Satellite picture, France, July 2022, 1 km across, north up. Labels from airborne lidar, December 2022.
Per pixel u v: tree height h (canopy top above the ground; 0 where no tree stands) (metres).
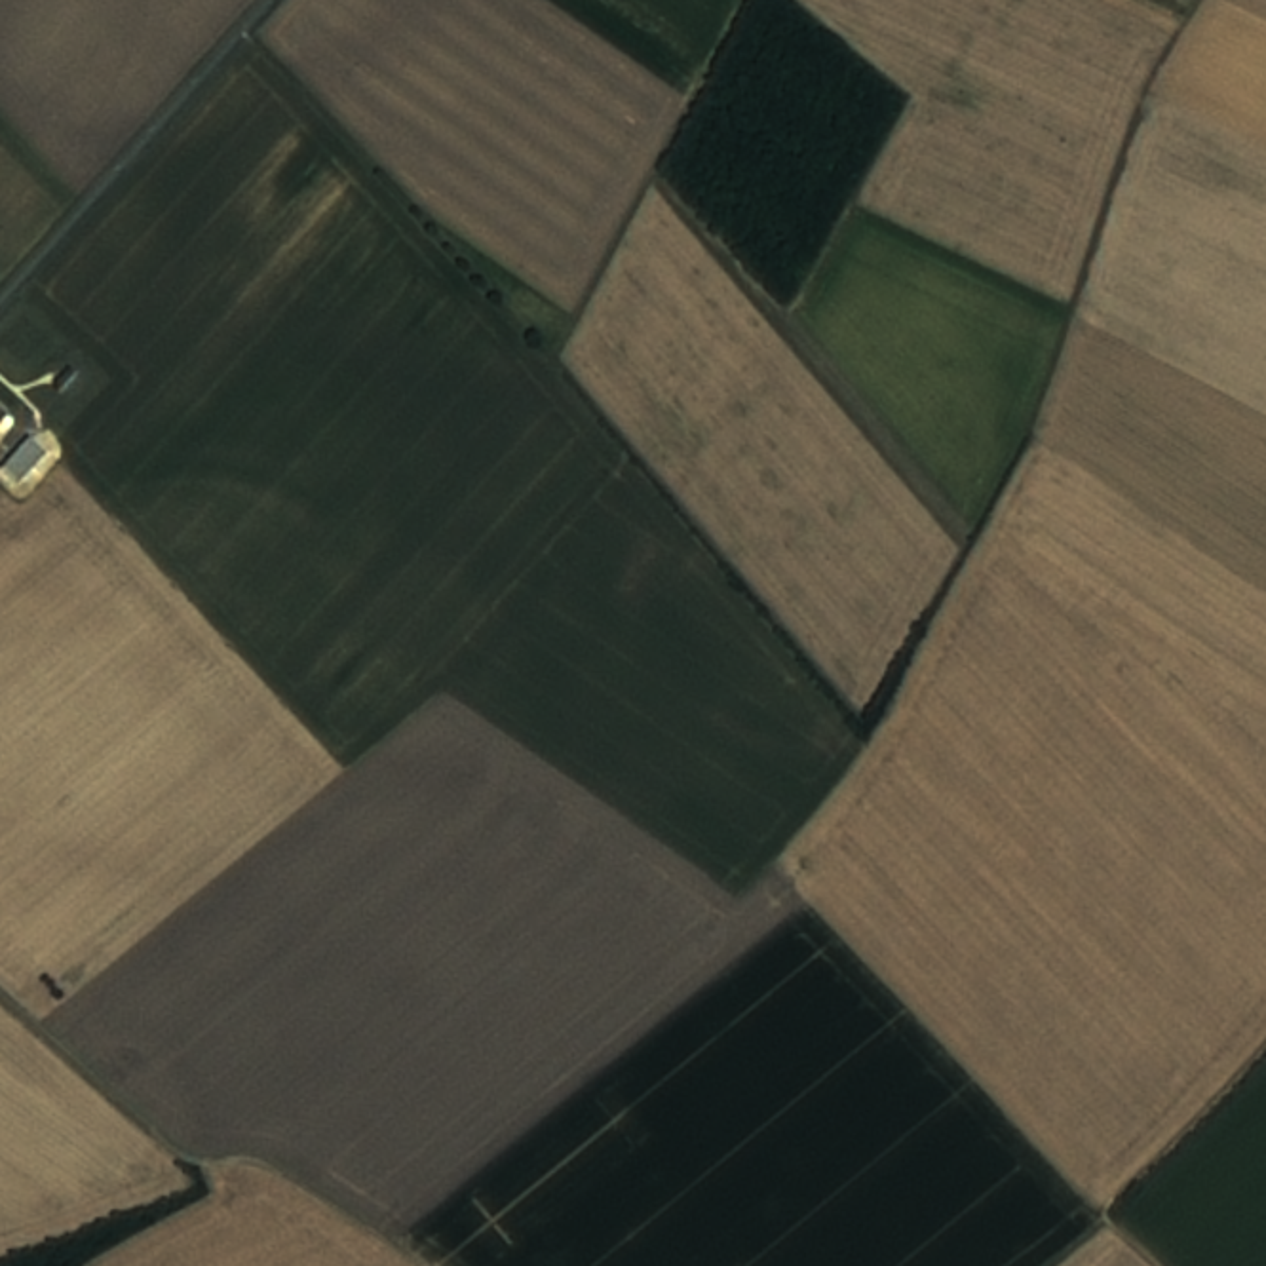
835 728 0
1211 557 0
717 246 0
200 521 0
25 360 0
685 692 0
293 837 0
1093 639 0
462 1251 0
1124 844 0
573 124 0
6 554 0
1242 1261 0
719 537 0
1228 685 0
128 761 0
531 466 0
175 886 0
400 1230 0
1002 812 0
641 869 0
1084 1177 0
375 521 0
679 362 0
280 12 0
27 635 0
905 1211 0
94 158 0
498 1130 0
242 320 0
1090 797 0
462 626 0
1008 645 0
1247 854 0
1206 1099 0
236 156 0
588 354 0
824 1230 0
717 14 0
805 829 0
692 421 0
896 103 13
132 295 0
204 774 0
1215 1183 0
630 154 0
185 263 0
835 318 0
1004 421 0
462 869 0
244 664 0
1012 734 0
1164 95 0
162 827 0
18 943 0
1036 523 0
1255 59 0
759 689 0
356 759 0
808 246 15
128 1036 0
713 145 15
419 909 0
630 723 0
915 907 0
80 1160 0
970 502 0
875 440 0
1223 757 0
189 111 0
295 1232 0
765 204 13
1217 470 0
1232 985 0
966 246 0
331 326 0
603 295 0
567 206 0
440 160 0
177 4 0
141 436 0
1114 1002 0
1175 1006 0
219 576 0
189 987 0
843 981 0
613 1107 0
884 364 0
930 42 0
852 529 0
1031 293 0
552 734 0
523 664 0
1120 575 0
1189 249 0
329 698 0
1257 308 0
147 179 0
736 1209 0
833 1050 0
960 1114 0
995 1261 0
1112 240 0
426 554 0
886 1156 0
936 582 0
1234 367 0
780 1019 0
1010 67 0
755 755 0
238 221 0
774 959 0
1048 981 0
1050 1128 0
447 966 0
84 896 0
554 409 0
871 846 0
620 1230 0
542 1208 0
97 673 0
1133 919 0
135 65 0
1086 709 0
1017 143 0
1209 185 0
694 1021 0
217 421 0
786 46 15
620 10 0
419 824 0
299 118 0
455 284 0
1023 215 0
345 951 0
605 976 0
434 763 0
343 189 0
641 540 0
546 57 0
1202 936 0
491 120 0
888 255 0
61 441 0
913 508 0
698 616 0
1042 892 0
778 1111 0
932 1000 0
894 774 0
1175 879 0
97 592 0
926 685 0
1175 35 0
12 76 0
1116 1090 0
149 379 0
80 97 0
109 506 0
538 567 0
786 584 0
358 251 0
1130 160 0
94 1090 0
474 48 0
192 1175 6
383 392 0
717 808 0
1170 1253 0
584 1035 0
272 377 0
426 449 0
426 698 0
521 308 0
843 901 0
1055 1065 0
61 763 0
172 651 0
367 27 0
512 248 0
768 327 0
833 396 0
